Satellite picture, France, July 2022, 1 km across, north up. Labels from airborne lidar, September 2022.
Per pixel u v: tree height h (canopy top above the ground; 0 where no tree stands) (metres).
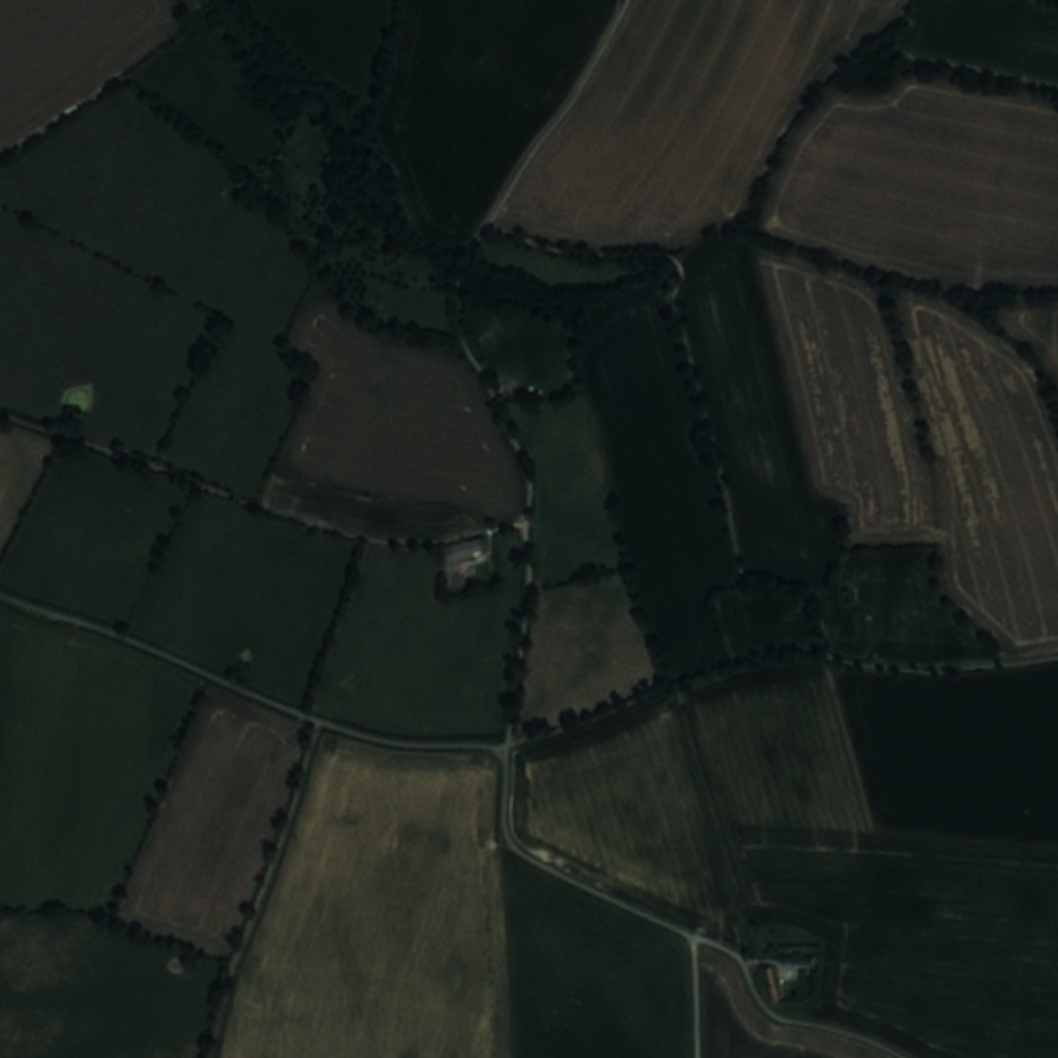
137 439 0
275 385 0
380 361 0
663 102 0
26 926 0
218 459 0
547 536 0
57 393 0
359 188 32
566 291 15
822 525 0
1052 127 0
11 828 0
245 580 0
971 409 0
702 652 0
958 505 0
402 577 0
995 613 0
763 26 0
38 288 0
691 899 0
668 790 0
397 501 0
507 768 0
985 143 0
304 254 12
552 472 0
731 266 0
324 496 0
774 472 0
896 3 0
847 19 0
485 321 0
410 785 0
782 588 15
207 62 0
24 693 0
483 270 15
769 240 12
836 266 11
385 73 19
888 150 0
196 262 0
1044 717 0
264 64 12
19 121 0
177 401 12
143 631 0
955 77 13
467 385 0
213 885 0
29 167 0
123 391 0
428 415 0
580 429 0
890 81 8
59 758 0
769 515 0
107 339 0
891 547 8
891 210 0
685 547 0
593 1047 0
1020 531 0
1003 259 0
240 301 0
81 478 0
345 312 15
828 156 0
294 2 0
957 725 0
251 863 0
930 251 0
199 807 0
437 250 6
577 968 0
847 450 0
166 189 0
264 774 0
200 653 0
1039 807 0
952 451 0
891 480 0
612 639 0
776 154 8
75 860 0
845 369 0
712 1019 0
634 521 0
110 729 0
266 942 0
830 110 0
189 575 0
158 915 0
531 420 0
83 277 0
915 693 0
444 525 0
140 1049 0
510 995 0
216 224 0
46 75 0
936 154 0
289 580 0
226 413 0
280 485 0
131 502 0
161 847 0
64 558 0
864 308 0
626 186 0
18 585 0
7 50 0
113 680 0
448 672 0
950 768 0
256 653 0
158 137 0
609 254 14
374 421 0
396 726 0
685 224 0
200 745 0
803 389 0
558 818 0
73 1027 0
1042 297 13
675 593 0
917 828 0
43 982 0
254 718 0
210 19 11
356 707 0
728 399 0
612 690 0
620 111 0
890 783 0
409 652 0
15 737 0
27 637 0
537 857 0
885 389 0
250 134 0
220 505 0
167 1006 0
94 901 0
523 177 0
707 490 0
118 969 0
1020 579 0
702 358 0
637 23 0
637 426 0
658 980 0
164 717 0
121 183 0
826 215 0
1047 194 0
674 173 0
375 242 10
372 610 0
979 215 0
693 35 0
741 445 0
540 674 0
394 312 0
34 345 0
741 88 0
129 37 0
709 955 0
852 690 0
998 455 0
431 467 0
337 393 0
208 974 0
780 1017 0
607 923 0
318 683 11
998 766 0
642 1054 0
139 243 0
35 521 0
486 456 0
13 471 0
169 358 0
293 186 0
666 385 0
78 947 0
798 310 0
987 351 0
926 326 0
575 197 0
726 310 0
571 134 0
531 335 0
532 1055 0
